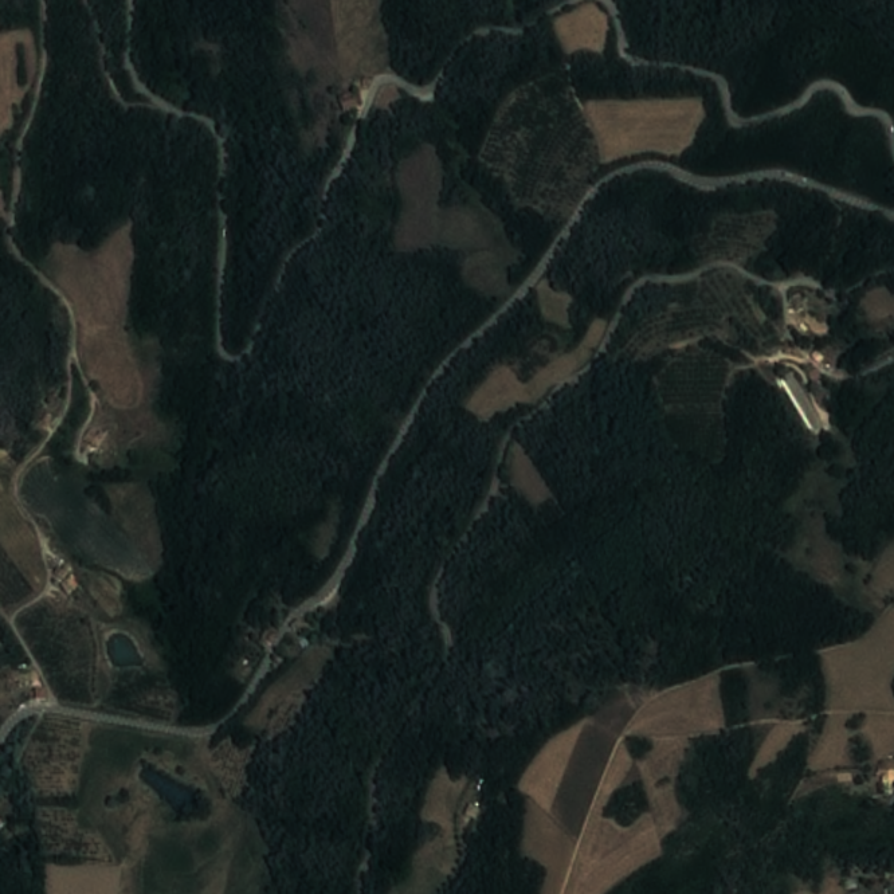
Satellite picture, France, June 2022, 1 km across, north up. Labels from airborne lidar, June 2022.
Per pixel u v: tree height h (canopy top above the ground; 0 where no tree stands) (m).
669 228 15
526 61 15
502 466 8
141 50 22
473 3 17
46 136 7
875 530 11
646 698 0
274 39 11
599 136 0
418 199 0
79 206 17
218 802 0
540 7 18
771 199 9
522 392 0
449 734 17
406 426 0
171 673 9
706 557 18
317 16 0
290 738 13
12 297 17
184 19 21
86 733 0
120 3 13
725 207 12
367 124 8
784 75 6
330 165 17
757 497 15
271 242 15
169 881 0
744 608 14
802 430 9
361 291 13
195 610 8
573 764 0
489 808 8
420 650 21
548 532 11
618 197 14
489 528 11
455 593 13
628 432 29
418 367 17
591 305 10
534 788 0
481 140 7
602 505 9
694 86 13
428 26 16
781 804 10
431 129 12
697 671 9
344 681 12
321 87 0
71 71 14
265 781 14
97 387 13
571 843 0
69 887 0
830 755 0
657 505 16
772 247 13
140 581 0
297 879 9
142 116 15
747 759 6
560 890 0
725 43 12
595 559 19
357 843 13
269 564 14
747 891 8
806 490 0
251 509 14
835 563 0
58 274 0
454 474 10
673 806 0
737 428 11
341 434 11
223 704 8
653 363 7
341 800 14
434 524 15
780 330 0
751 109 7
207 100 19
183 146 13
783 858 8
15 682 0
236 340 23
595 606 14
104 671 0
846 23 8
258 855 0
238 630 10
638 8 14
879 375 6
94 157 26
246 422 12
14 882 19
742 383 9
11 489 0
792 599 16
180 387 14
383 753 9
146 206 11
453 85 13
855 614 11
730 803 7
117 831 0
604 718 0
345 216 12
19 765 13
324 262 14
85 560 11
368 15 0
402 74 17
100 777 0
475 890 13
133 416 0
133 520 0
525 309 14
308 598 15
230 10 17
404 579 17
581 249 10
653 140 0
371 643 10
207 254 10
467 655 8
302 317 17
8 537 0
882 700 0
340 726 18
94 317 0
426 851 0
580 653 20
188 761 0
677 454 12
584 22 0
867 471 14
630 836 0
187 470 18
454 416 16
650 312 12
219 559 16
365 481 11
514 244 10
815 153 7
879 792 9
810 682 8
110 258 0
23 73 7
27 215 6
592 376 12
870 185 6
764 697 0
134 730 0
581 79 12
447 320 15
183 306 17
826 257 9
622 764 0
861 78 8
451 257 10
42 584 0
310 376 13
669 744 0
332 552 5
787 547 11
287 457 14
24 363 14
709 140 6
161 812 0
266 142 10
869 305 0
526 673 17
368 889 14
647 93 8
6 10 6
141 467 0
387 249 12
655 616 14
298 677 0
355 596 7
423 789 9
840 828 7
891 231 20
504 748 12
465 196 16
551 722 12
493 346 9
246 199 27
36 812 12
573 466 17
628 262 8
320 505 10
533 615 16
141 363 0
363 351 14
